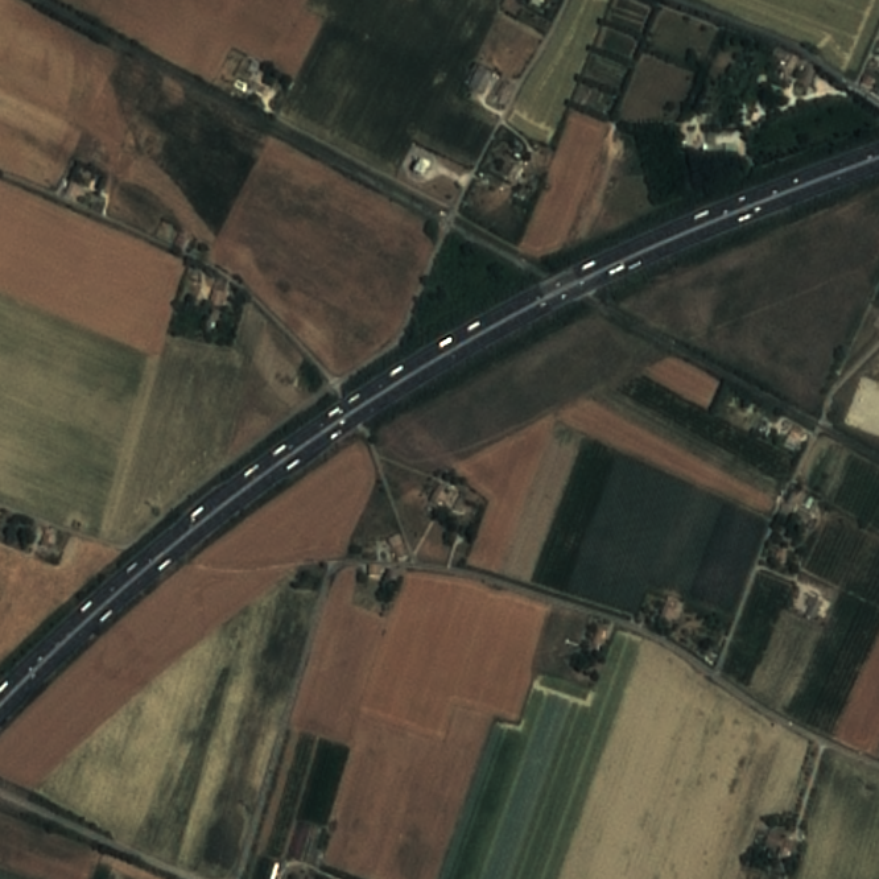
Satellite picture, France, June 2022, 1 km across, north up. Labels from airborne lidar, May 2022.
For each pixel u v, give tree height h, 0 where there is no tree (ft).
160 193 0
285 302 0
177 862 0
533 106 0
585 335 0
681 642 19
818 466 0
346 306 0
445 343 0
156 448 0
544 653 0
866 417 0
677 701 0
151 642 0
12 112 0
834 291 0
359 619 0
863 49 0
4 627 0
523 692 0
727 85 36
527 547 0
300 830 0
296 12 0
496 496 0
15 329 0
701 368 0
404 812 0
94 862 0
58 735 0
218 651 0
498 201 0
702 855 0
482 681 0
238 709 0
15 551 0
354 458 0
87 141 0
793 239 0
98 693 0
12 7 0
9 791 0
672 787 0
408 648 0
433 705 0
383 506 0
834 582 0
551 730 0
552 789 0
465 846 0
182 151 0
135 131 0
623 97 31
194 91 0
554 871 0
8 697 0
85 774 0
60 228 0
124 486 0
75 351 0
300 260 0
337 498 0
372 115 0
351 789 0
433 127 0
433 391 21
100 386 0
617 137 0
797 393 0
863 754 0
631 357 0
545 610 0
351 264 0
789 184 0
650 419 0
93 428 0
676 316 0
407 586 0
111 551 0
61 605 0
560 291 0
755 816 0
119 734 0
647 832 0
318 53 0
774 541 41
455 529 31
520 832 0
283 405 0
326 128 0
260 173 0
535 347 0
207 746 0
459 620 0
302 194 0
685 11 40
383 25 0
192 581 0
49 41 0
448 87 0
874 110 80
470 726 0
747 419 0
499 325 0
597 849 0
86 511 0
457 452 0
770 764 0
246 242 0
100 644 0
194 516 0
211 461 0
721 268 0
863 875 0
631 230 20
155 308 0
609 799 0
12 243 0
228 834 0
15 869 0
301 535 0
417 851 0
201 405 0
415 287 0
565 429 0
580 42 0
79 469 0
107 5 0
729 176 85
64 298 0
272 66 47
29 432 0
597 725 0
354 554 31
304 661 0
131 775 0
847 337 0
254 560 0
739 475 0
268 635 0
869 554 0
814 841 0
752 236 23
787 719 0
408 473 0
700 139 0
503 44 0
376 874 0
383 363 19
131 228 0
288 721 0
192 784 0
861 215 0
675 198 21
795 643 0
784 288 0
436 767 0
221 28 0
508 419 0
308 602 0
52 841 0
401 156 0
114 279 0
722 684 0
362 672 0
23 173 0
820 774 0
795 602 0
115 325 0
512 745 0
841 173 0
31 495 0
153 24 0
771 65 22
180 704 0
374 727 0
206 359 0
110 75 0
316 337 0
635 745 0
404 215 0
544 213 0
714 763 0
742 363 0
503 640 0
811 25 0
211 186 0
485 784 0
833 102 41
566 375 0
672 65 25
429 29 0
